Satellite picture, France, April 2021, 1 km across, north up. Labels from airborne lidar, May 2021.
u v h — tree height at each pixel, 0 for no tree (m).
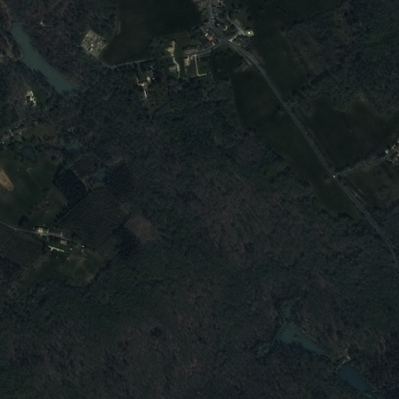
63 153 15
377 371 25
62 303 21
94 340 14
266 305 12
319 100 0
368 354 16
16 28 0
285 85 0
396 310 20
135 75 13
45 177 0
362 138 0
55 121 18
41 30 11
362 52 10
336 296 17
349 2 11
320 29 9
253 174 20
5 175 0
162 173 19
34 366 17
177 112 10
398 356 12
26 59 0
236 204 13
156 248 22
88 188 6
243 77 0
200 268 19
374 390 10
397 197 0
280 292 12
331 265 19
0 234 6
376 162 18
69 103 22
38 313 17
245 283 18
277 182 19
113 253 16
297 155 0
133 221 23
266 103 0
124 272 20
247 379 17
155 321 11
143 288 18
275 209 19
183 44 0
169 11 0
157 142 17
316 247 23
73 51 13
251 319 17
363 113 0
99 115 26
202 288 13
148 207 18
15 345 10
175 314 18
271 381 15
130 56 0
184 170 13
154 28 0
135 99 18
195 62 0
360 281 26
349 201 0
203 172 12
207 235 22
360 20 16
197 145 24
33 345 15
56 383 18
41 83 15
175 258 19
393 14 19
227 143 17
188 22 0
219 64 0
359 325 17
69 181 18
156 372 15
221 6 7
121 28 0
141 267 18
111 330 16
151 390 15
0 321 11
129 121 20
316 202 14
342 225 17
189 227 23
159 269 20
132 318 15
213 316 13
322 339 22
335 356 19
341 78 23
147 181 21
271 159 16
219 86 9
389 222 21
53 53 9
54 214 0
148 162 25
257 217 17
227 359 15
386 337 16
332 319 14
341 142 0
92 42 0
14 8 17
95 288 20
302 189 26
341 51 12
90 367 12
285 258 20
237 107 0
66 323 13
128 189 20
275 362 17
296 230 17
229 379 16
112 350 15
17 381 14
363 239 25
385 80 20
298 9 0
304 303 17
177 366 11
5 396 15
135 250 20
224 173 15
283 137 0
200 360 12
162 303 15
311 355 19
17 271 20
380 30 20
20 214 0
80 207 6
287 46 0
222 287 17
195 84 18
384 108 18
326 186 0
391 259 22
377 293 21
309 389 15
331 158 0
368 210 14
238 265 17
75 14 15
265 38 0
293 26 9
